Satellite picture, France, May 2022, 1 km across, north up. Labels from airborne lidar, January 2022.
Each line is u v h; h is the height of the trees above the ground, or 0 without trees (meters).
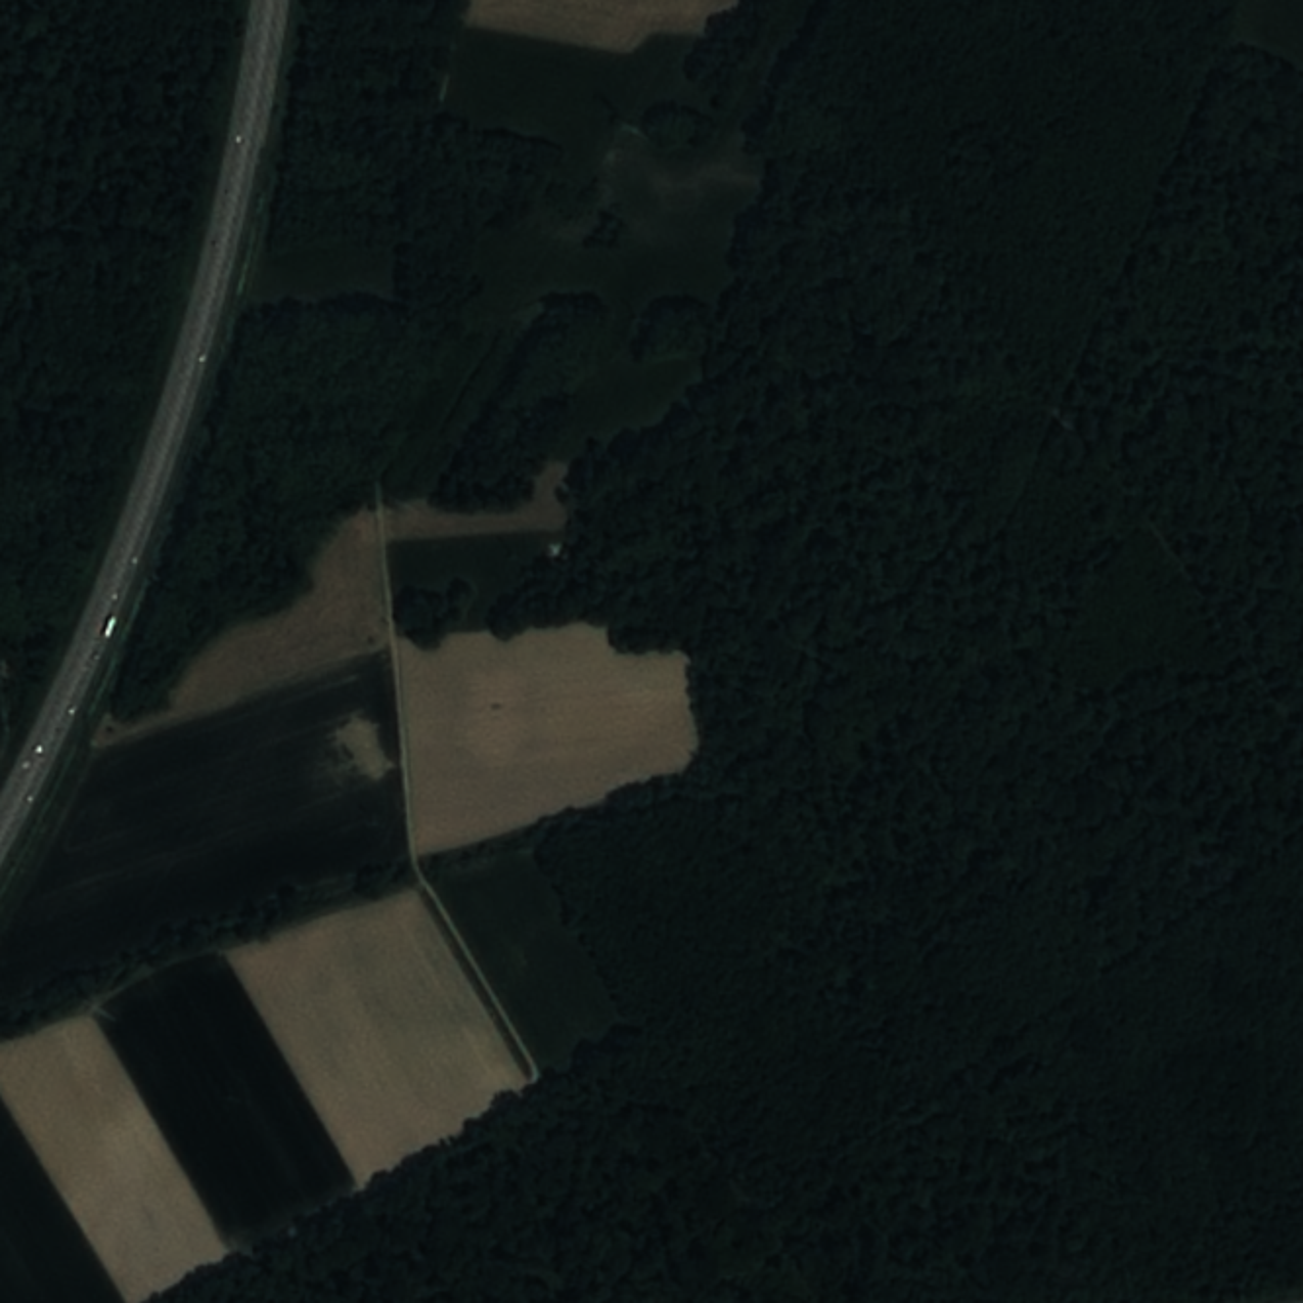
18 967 0
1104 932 21
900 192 17
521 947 0
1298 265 23
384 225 15
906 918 20
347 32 18
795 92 17
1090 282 11
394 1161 0
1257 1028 24
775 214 16
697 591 22
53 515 26
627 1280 17
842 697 23
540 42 0
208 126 7
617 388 0
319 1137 0
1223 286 9
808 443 18
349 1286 27
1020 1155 21
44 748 0
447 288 21
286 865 0
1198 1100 24
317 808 0
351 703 0
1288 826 13
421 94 18
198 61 25
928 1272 21
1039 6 19
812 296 26
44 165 27
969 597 20
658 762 0
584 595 22
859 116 18
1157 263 25
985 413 11
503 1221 26
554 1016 0
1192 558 16
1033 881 26
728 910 19
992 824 23
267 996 0
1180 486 18
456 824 0
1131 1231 23
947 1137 28
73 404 29
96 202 27
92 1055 0
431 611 16
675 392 0
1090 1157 19
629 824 18
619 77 0
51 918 0
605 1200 27
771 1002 22
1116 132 14
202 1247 0
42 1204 0
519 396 22
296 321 22
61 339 25
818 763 21
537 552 0
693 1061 20
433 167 21
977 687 25
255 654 0
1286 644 19
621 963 19
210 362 0
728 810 23
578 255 0
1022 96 17
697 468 27
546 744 0
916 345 21
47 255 20
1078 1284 17
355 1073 0
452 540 0
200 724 0
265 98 0
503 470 11
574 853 17
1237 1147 23
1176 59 17
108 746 0
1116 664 8
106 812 0
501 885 0
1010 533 10
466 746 0
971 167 18
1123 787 17
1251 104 24
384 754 0
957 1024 20
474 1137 13
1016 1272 25
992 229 17
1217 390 23
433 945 0
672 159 0
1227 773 25
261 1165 0
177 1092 0
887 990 22
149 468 0
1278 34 0
